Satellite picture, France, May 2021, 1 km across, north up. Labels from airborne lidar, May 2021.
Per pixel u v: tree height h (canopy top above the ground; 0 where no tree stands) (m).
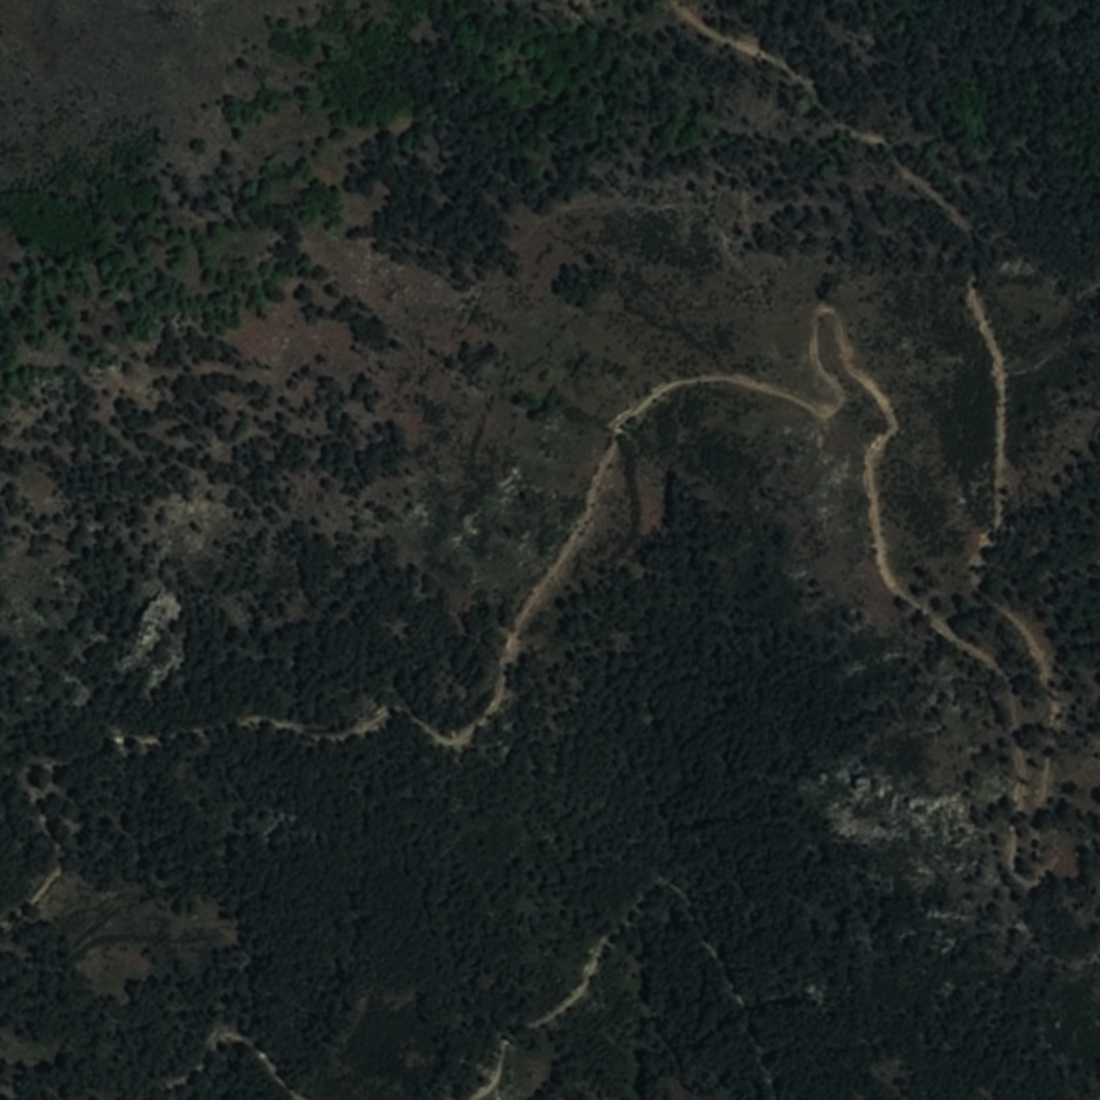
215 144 0
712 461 7
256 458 18
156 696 19
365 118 14
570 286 33
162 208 16
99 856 31
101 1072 26
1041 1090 22
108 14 0
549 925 25
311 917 25
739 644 28
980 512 6
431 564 7
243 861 29
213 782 18
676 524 30
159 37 0
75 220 13
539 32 21
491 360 29
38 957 31
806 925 24
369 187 20
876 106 26
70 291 9
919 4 27
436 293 0
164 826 31
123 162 6
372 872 27
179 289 14
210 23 0
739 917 22
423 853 14
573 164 25
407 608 27
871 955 18
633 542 9
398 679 8
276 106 6
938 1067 25
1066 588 37
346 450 20
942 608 28
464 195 33
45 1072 31
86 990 24
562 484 0
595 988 10
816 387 0
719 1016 29
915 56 30
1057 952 21
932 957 15
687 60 29
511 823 19
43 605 17
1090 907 25
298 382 19
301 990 26
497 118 31
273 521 23
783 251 31
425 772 16
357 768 17
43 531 21
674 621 32
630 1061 7
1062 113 27
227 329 11
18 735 17
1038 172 26
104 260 12
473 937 17
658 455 6
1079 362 6
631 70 19
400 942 28
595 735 23
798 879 28
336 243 0
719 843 32
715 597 27
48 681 21
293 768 18
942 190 25
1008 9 25
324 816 21
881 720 18
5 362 15
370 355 19
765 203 21
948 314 6
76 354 14
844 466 0
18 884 26
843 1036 18
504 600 8
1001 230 22
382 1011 8
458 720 13
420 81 26
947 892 7
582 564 8
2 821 29
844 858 20
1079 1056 6
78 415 18
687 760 26
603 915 25
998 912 17
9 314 19
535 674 29
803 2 27
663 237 6
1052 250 26
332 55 22
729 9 32
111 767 29
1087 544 26
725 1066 26
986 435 6
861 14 27
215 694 24
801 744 19
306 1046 25
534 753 31
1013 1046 19
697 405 6
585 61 20
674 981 28
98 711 26
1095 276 29
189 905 20
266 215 13
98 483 21
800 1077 22
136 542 16
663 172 24
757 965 25
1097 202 25
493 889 17
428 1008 26
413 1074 7
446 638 24
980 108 26
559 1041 23
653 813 31
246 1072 33
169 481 19
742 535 22
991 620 25
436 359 22
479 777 17
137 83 0
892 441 7
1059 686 24
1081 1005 7
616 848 27
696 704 34
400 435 25
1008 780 19
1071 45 29
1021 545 34
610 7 10
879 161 27
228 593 13
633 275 7
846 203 30
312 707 21
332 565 16
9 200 14
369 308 22
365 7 9
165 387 18
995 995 18
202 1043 20
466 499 6
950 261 29
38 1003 35
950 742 15
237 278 10
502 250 27
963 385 8
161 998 34
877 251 32
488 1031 29
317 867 28
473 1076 30
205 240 15
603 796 18
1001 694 30
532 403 24
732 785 23
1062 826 26
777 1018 28
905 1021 19
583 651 25
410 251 24
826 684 15
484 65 22
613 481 0
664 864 26
